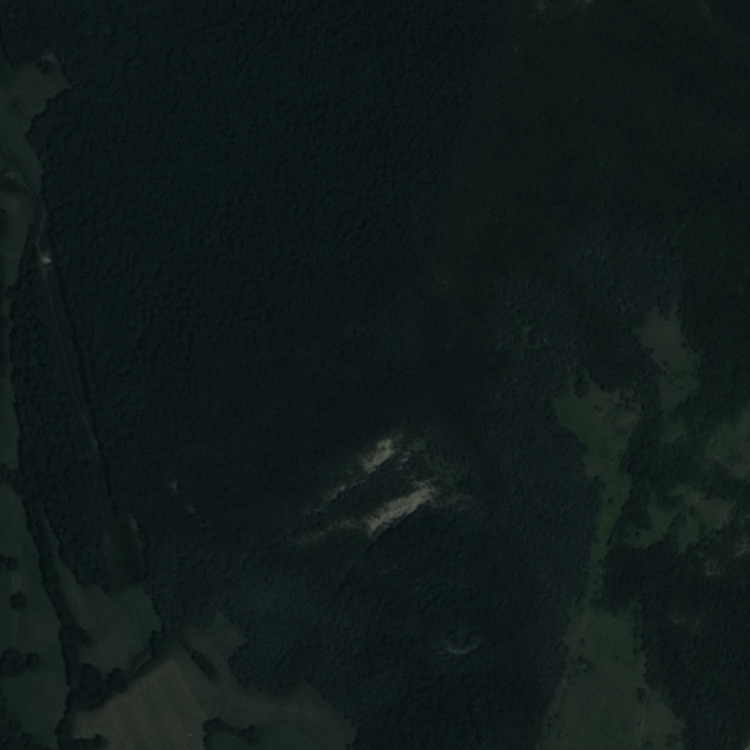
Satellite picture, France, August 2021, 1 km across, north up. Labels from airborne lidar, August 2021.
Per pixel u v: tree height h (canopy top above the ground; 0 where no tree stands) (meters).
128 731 0
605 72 12
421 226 12
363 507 12
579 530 12
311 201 20
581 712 0
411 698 22
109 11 24
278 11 30
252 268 20
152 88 29
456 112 14
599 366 12
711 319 24
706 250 21
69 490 24
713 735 13
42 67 12
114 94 25
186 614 15
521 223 10
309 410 14
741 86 24
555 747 0
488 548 15
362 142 19
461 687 15
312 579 15
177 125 28
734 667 19
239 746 0
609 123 18
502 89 9
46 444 16
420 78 21
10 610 0
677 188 19
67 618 22
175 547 13
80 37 17
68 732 19
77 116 19
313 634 14
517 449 17
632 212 23
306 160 22
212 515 17
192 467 16
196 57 32
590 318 16
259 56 24
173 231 24
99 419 16
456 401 15
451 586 11
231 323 14
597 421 0
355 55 29
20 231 0
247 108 30
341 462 10
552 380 15
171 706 0
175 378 18
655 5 16
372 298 15
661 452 9
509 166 12
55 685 0
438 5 24
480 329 11
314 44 29
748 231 20
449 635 7
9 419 0
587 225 17
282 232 19
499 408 10
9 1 18
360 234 15
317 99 29
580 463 10
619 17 17
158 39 24
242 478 16
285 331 17
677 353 0
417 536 18
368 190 20
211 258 19
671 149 21
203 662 18
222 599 8
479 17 23
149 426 17
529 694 14
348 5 32
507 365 19
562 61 13
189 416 19
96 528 14
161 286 22
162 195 25
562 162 15
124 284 22
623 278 13
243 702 0
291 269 17
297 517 11
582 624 0
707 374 6
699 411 9
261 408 12
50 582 22
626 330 11
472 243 15
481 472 9
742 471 0
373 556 10
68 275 20
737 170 28
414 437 7
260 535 13
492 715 17
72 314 16
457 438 9
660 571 17
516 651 14
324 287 14
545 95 16
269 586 8
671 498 8
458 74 18
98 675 19
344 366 15
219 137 28
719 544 12
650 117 14
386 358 14
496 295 16
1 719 14
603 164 14
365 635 16
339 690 16
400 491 7
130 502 19
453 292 9
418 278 14
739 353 21
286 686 12
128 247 22
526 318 10
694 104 17
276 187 20
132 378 27
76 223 19
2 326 22
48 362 10
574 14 9
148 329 12
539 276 19
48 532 19
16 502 0
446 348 16
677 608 17
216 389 19
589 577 10
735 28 10
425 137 16
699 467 11
